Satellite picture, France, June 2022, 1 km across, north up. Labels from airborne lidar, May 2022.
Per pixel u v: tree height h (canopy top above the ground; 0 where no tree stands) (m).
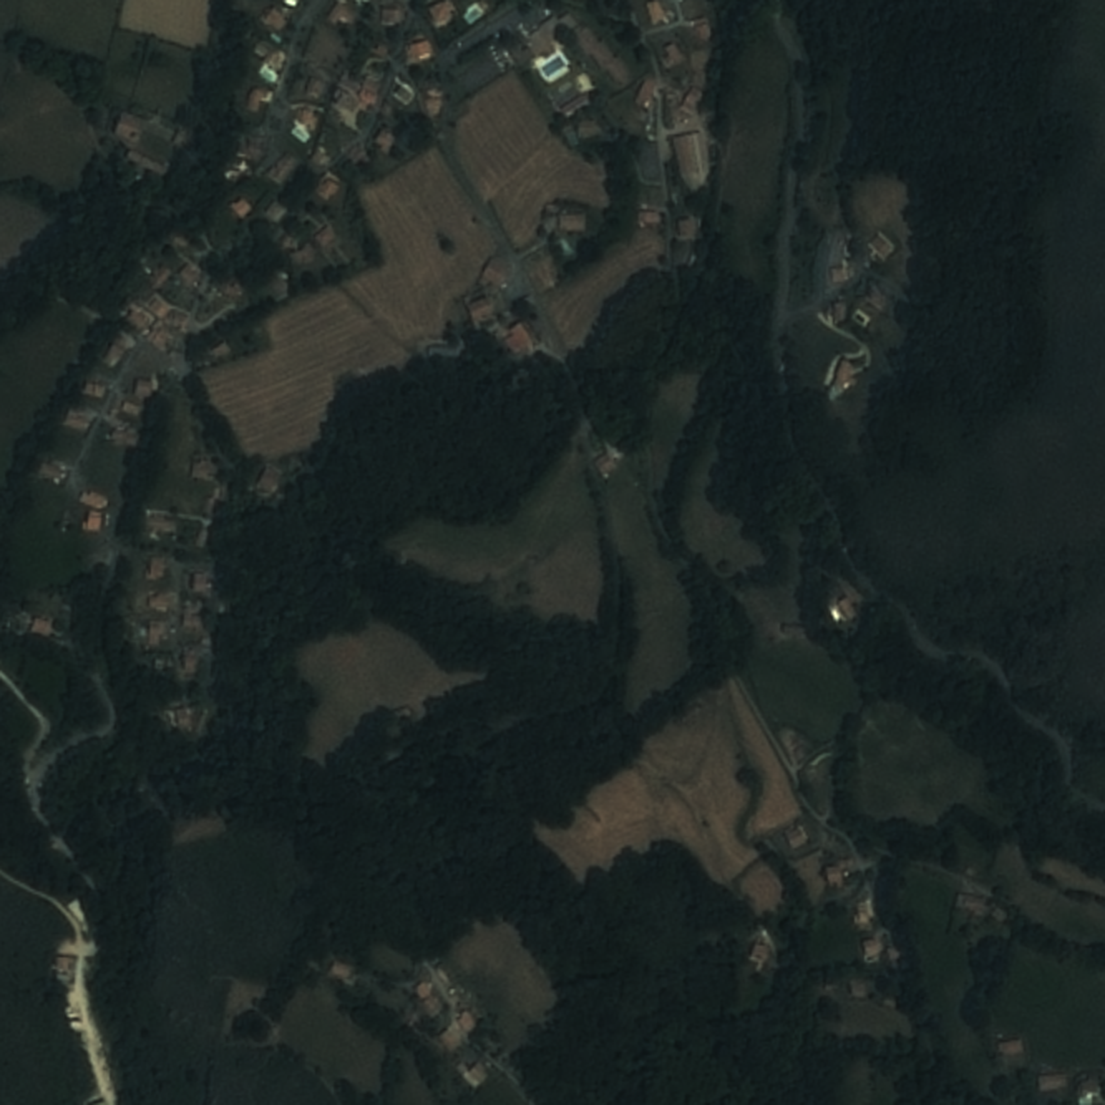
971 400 17
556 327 0
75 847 21
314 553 23
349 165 8
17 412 0
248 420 0
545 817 13
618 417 21
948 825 13
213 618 16
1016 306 11
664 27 0
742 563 0
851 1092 0
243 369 0
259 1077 0
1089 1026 0
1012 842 7
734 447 19
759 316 22
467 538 0
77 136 0
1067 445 0
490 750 24
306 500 25
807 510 25
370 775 21
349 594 24
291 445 0
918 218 18
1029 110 14
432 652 7
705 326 22
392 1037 11
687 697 11
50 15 0
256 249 13
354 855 19
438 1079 14
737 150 0
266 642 20
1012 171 17
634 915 8
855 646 23
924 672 15
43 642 12
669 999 12
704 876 18
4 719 9
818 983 8
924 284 21
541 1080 16
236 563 21
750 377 11
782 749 0
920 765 0
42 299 23
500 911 12
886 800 0
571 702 20
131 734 19
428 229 0
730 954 9
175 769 15
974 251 16
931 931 0
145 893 16
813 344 0
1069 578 18
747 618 14
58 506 0
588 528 0
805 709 0
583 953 21
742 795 0
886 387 15
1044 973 0
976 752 20
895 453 7
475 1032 6
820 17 25
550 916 22
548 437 18
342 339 0
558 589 0
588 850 0
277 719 20
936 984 0
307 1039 0
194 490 0
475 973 0
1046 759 11
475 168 0
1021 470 0
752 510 16
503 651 18
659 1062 34
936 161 19
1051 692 8
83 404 12
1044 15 15
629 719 20
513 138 0
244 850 0
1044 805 26
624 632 9
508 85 0
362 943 13
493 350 19
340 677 0
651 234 0
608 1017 22
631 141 17
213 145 21
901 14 27
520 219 0
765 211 0
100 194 21
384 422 22
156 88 0
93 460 0
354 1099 8
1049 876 9
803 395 11
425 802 25
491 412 20
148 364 0
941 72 29
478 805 31
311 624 27
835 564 21
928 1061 17
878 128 26
